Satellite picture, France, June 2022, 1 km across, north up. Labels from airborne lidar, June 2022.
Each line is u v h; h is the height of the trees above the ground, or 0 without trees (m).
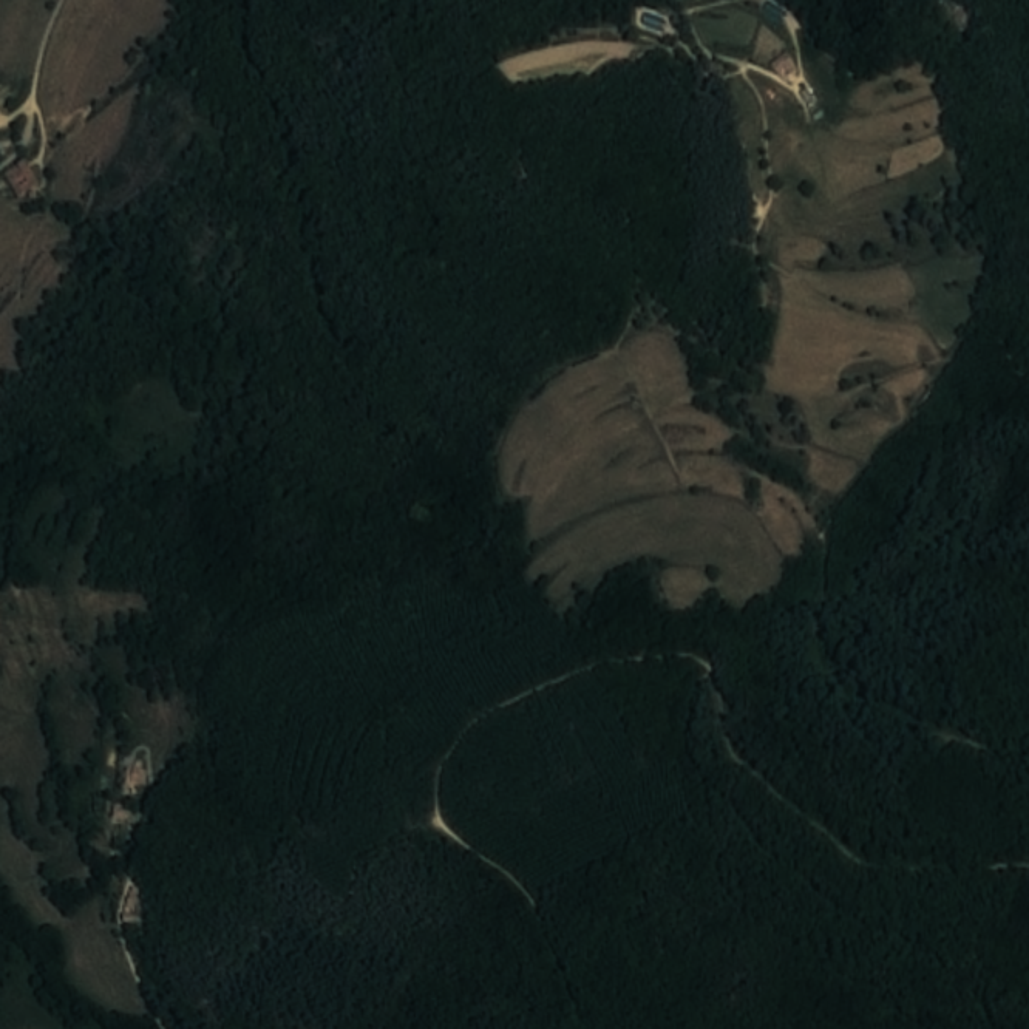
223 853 16
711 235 19
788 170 0
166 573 11
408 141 17
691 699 8
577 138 14
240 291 15
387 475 20
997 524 17
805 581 10
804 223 0
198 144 12
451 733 8
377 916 12
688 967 18
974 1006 18
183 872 15
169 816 20
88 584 13
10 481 9
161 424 0
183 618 9
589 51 0
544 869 9
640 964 16
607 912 17
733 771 22
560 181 11
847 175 0
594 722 9
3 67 0
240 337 11
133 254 14
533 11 13
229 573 14
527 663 7
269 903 11
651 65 16
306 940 26
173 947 14
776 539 0
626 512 0
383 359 15
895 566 25
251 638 8
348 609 8
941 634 30
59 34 0
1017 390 11
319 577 11
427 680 7
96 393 22
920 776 11
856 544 12
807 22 25
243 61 23
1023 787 17
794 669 34
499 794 7
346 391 26
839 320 0
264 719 8
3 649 0
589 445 0
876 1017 19
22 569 10
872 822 27
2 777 0
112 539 8
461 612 9
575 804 9
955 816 14
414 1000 18
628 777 7
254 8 24
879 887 22
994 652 21
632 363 0
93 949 0
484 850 11
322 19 8
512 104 15
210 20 15
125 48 0
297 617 8
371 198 12
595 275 14
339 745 8
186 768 20
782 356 0
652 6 13
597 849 8
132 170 0
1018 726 20
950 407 10
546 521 0
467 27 17
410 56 17
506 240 13
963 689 19
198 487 15
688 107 18
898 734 27
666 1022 14
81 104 0
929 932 18
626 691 11
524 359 13
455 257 18
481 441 9
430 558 13
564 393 0
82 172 0
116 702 13
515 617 10
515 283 19
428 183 19
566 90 20
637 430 0
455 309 15
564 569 0
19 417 21
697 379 15
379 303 10
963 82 14
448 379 12
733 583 0
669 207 13
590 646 9
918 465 11
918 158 0
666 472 0
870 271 0
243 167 19
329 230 17
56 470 14
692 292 16
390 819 7
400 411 19
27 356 21
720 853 15
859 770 33
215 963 12
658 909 13
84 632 0
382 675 8
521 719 10
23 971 0
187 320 12
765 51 0
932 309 0
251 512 14
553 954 12
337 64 13
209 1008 6
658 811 7
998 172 10
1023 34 17
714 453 10
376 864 11
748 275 17
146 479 7
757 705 17
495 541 14
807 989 18
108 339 17
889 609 28
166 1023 8
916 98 0
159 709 0
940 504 18
